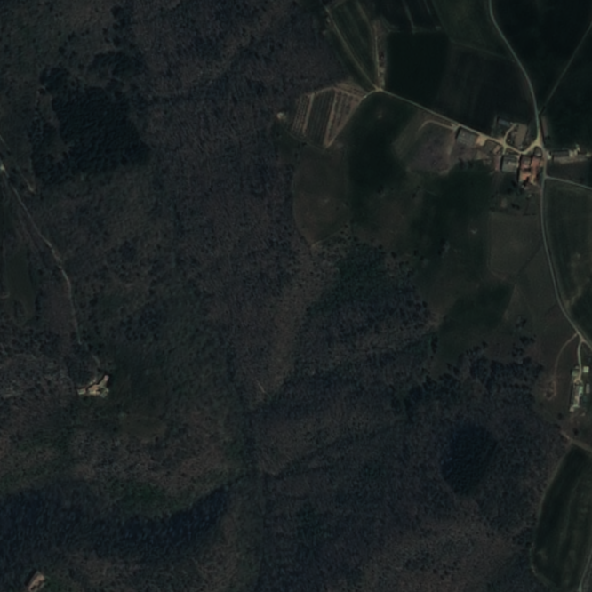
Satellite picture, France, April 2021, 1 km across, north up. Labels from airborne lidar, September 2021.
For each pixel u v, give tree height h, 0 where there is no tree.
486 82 0
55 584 8
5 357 8
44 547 16
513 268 0
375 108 0
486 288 0
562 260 0
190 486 7
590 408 0
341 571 8
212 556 7
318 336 9
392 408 7
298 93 6
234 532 14
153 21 6
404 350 11
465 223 0
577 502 0
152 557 14
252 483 11
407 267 12
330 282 9
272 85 11
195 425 18
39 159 12
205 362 12
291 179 11
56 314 13
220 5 14
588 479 0
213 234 8
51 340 14
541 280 0
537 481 11
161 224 21
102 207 14
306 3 0
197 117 7
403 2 0
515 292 0
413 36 0
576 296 0
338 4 0
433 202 0
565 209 0
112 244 6
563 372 0
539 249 0
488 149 0
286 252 7
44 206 10
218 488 15
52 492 20
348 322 9
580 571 0
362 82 0
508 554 12
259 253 9
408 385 14
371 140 0
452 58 0
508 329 0
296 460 11
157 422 0
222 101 8
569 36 0
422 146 0
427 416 11
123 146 21
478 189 0
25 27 6
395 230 0
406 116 0
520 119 0
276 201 11
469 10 0
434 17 0
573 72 0
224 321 7
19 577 12
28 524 20
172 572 10
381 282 12
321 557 17
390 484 11
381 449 6
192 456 13
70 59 7
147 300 11
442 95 0
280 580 19
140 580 11
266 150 8
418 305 6
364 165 0
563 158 0
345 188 0
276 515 16
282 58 7
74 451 6
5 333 10
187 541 18
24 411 14
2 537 20
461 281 0
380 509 8
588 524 0
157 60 6
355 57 0
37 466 12
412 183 0
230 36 7
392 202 0
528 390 11
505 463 11
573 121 0
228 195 12
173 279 20
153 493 12
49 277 9
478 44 0
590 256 0
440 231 0
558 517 0
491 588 11
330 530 8
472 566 6
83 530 20
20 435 15
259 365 6
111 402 0
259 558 18
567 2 0
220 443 20
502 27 0
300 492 9
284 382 6
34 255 15
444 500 12
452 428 13
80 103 20
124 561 9
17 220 12
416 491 11
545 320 0
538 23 0
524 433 15
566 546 0
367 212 0
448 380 15
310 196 0
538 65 0
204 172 7
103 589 8
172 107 7
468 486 24
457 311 0
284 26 6
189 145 8
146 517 17
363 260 13
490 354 0
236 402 21
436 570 7
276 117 0
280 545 17
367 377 7
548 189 0
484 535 6
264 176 11
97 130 18
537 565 0
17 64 7
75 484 18
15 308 7
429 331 7
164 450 11
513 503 14
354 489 6
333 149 0
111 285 7
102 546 20
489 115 0
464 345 0
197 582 15
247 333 10
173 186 9
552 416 0
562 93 0
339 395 13
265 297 7
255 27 12
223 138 6
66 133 16
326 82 9
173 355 9
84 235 10
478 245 0
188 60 9
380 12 0
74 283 10
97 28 12
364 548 10
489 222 0
